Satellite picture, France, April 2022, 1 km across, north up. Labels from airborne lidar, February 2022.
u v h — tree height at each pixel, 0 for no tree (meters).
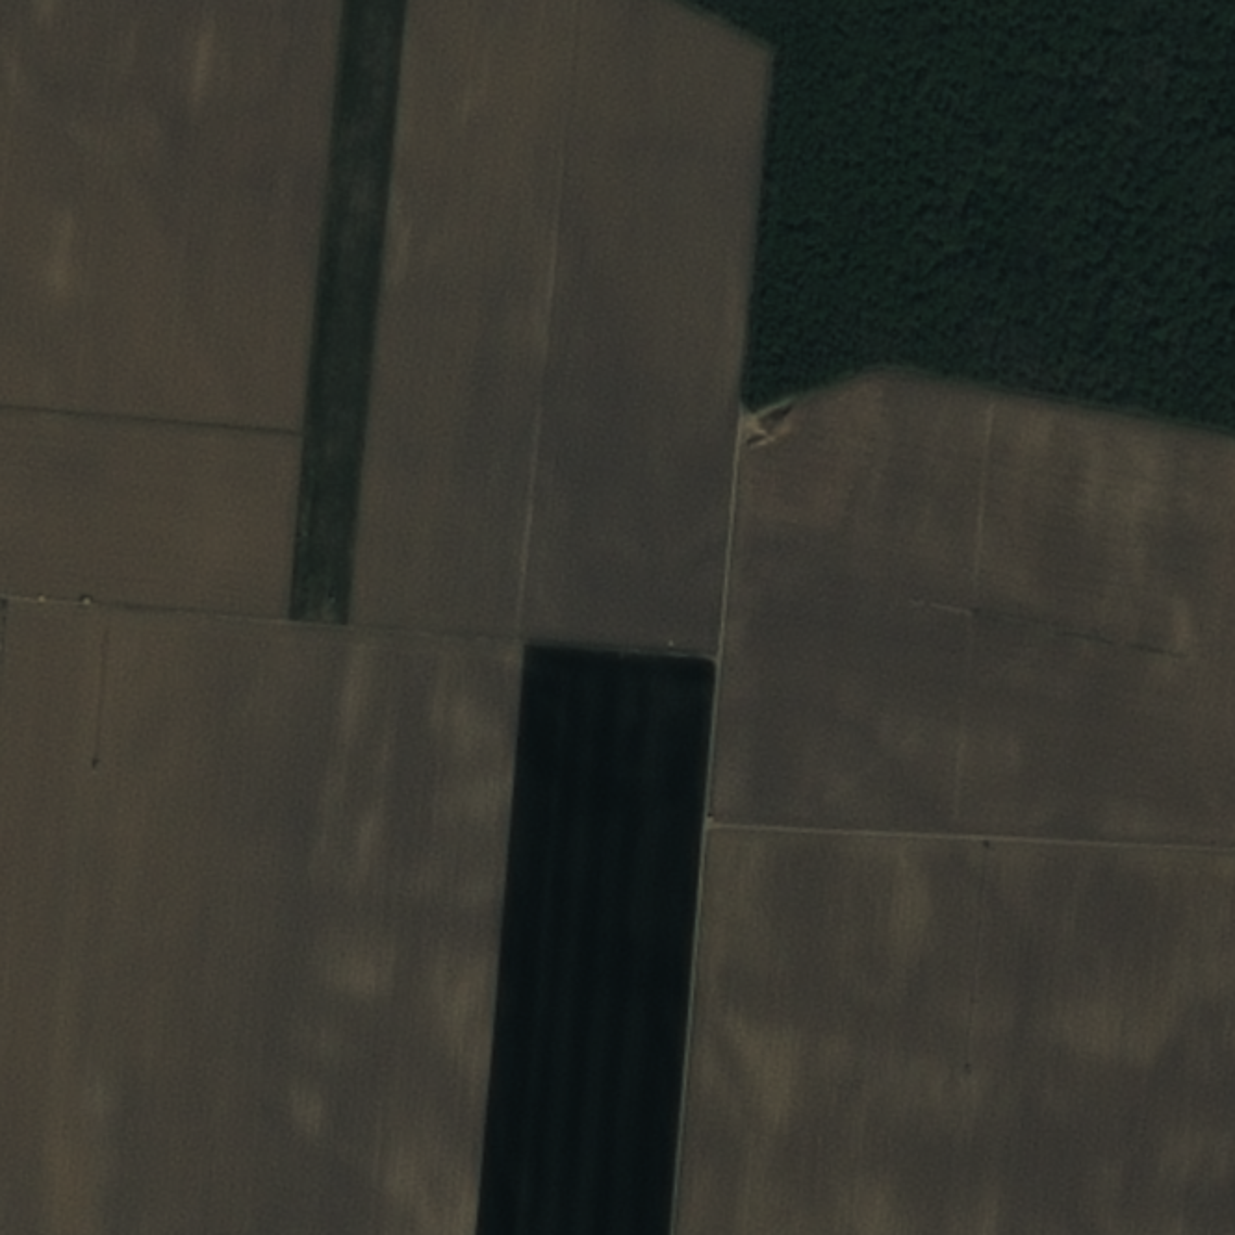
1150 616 0
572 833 0
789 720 0
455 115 0
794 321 12
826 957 0
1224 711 0
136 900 0
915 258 12
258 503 0
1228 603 0
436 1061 0
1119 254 11
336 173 0
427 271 0
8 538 0
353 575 0
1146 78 11
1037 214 17
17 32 0
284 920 0
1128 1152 0
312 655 0
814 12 10
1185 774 0
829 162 12
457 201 0
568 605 0
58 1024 0
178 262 0
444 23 0
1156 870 0
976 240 11
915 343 8
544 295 0
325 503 0
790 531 0
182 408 0
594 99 0
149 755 0
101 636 0
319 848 0
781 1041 0
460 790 0
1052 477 0
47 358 0
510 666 0
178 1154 0
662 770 0
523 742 0
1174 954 0
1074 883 0
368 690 0
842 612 0
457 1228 0
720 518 0
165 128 0
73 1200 0
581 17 0
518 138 0
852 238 12
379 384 0
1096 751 0
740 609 0
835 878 0
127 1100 0
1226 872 0
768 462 0
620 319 0
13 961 0
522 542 0
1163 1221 0
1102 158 13
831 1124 0
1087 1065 0
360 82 0
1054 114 13
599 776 0
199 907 0
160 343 0
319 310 0
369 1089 0
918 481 0
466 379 0
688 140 0
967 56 10
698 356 0
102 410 0
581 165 0
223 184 0
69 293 0
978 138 13
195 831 0
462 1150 0
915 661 0
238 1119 0
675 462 0
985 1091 0
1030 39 12
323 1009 0
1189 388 10
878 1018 0
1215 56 13
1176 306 13
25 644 0
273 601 0
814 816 0
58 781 0
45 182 0
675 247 0
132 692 0
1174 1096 0
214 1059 0
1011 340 17
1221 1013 0
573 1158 0
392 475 0
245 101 0
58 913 0
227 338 0
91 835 0
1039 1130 0
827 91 11
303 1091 0
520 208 0
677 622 0
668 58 0
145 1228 0
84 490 0
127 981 0
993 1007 0
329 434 0
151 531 0
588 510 0
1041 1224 0
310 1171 0
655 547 0
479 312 0
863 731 0
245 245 0
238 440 0
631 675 0
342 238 0
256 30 0
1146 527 0
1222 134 10
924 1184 0
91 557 0
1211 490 0
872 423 0
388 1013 0
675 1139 0
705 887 0
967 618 0
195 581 0
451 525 0
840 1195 0
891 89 13
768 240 9
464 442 0
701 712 0
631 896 0
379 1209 0
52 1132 0
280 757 0
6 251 0
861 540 0
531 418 0
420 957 0
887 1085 0
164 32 0
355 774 0
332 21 0
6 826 0
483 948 0
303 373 0
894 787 0
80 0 0
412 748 0
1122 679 0
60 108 0
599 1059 0
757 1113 0
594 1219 0
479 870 0
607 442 0
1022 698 0
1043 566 0
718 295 0
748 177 0
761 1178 0
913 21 12
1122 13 15
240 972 0
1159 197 14
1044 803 0
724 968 0
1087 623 0
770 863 0
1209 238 13
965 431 0
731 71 0
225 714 0
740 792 0
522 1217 0
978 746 0
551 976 0
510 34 0
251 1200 0
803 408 0
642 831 0
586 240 0
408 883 0
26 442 0
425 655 0
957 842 0
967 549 0
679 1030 0
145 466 0
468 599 0
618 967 0
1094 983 0
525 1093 0
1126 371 14
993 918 0
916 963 0
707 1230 0
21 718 0
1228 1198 0
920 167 12
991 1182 0
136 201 0
